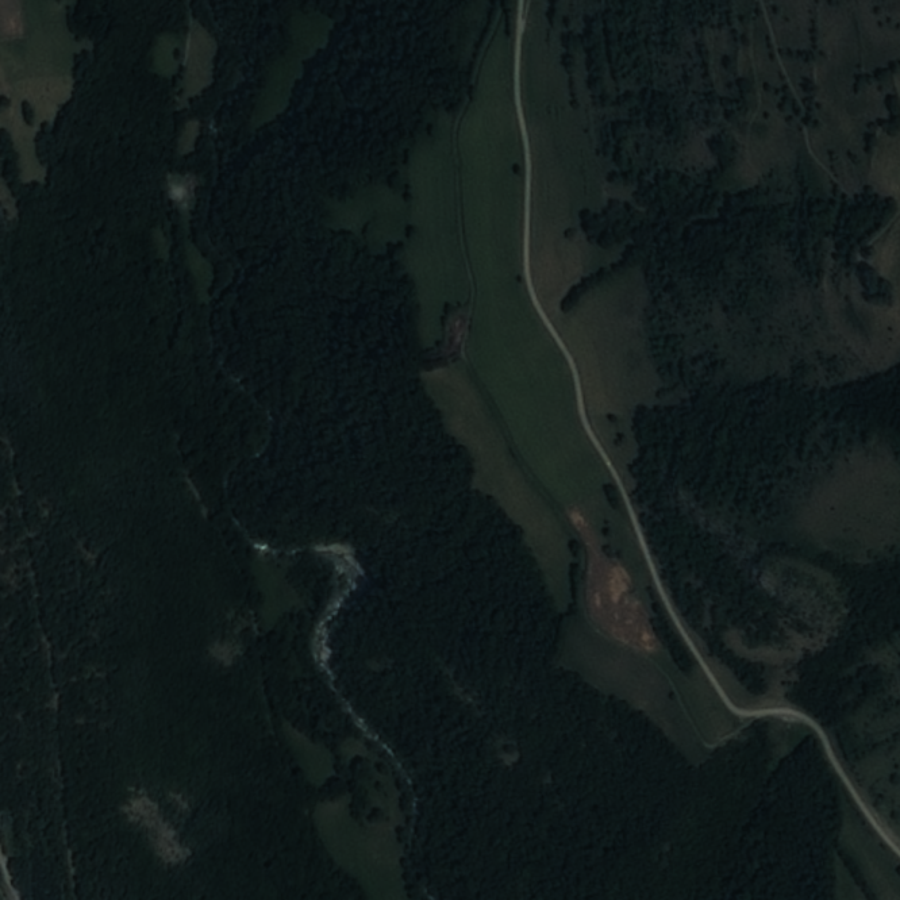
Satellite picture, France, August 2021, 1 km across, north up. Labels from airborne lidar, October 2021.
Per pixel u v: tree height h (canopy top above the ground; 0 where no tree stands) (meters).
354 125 34
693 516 6
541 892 13
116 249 25
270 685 23
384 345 14
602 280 11
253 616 8
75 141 25
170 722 18
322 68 23
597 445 0
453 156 0
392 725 13
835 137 0
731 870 21
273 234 26
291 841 20
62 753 14
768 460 11
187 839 13
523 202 0
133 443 18
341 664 19
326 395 10
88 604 22
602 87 16
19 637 19
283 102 0
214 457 19
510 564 19
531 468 0
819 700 13
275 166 23
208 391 16
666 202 13
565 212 0
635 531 0
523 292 0
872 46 0
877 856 0
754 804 18
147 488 16
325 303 24
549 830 20
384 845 0
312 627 10
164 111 27
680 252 15
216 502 11
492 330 0
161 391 16
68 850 11
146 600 23
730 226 13
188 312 18
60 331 23
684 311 7
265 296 20
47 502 16
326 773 0
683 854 16
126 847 20
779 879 18
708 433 20
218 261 15
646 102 12
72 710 17
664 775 21
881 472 0
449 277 0
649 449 18
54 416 20
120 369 20
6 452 18
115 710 19
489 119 0
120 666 15
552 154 0
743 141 0
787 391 19
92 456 18
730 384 8
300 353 19
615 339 0
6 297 18
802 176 6
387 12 33
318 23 0
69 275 20
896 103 14
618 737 8
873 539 0
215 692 21
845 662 11
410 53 33
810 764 17
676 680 0
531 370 0
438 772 7
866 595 21
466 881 18
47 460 17
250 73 26
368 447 19
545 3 0
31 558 16
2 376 15
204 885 18
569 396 0
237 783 17
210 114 10
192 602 18
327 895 19
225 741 26
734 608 6
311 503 14
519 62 0
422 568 12
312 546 6
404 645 15
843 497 0
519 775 15
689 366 9
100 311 25
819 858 20
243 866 23
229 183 22
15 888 10
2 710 19
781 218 11
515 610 14
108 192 30
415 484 20
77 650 17
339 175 33
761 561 7
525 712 15
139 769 16
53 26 0
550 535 0
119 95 29
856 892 0
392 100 28
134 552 21
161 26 14
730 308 11
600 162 0
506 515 9
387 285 24
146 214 22
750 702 0
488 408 0
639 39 11
